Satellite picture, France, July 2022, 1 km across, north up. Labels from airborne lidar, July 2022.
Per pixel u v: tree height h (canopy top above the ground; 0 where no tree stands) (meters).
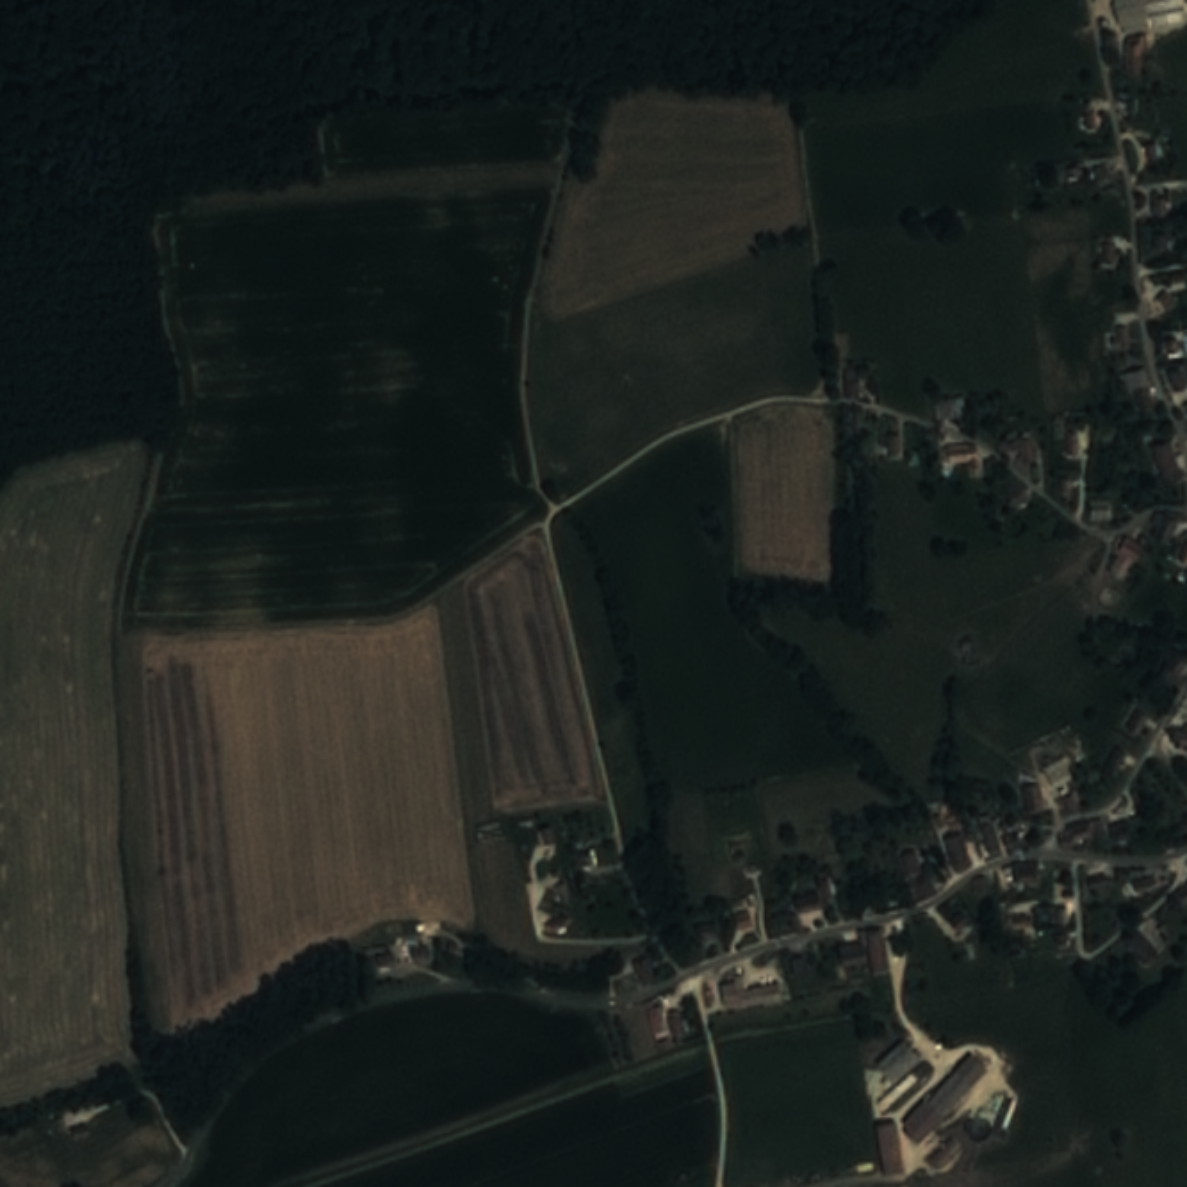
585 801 0
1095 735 0
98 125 24
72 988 0
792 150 0
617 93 18
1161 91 9
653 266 0
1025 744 0
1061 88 0
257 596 0
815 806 0
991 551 0
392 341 0
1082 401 0
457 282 0
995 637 0
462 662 0
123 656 0
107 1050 0
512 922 0
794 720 0
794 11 26
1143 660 10
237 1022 16
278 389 0
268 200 0
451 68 23
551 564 0
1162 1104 0
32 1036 0
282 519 0
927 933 0
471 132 0
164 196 20
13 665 0
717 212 0
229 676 0
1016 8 0
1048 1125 0
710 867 0
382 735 0
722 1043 0
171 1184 0
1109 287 0
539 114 0
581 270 0
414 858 0
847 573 21
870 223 0
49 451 14
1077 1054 0
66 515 0
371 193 0
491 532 0
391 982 7
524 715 0
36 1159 0
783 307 0
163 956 0
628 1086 0
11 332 16
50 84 31
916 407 0
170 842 0
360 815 0
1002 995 0
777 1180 0
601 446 0
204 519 0
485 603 0
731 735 0
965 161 0
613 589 13
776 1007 0
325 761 0
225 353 0
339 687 0
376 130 0
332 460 0
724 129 0
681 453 0
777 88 26
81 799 0
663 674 0
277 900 0
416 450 0
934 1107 0
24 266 18
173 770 0
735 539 0
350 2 27
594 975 13
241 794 0
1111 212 0
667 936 16
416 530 0
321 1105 0
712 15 23
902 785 7
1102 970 9
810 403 0
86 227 18
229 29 31
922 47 22
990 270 0
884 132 0
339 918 0
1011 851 5
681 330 0
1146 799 15
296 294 0
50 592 0
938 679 0
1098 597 0
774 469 0
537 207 0
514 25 27
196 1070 17
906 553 0
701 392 0
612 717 0
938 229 14
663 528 0
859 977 0
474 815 0
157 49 20
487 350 0
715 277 0
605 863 0
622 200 0
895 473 0
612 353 0
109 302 19
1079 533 7
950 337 0
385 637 0
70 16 23
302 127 19
